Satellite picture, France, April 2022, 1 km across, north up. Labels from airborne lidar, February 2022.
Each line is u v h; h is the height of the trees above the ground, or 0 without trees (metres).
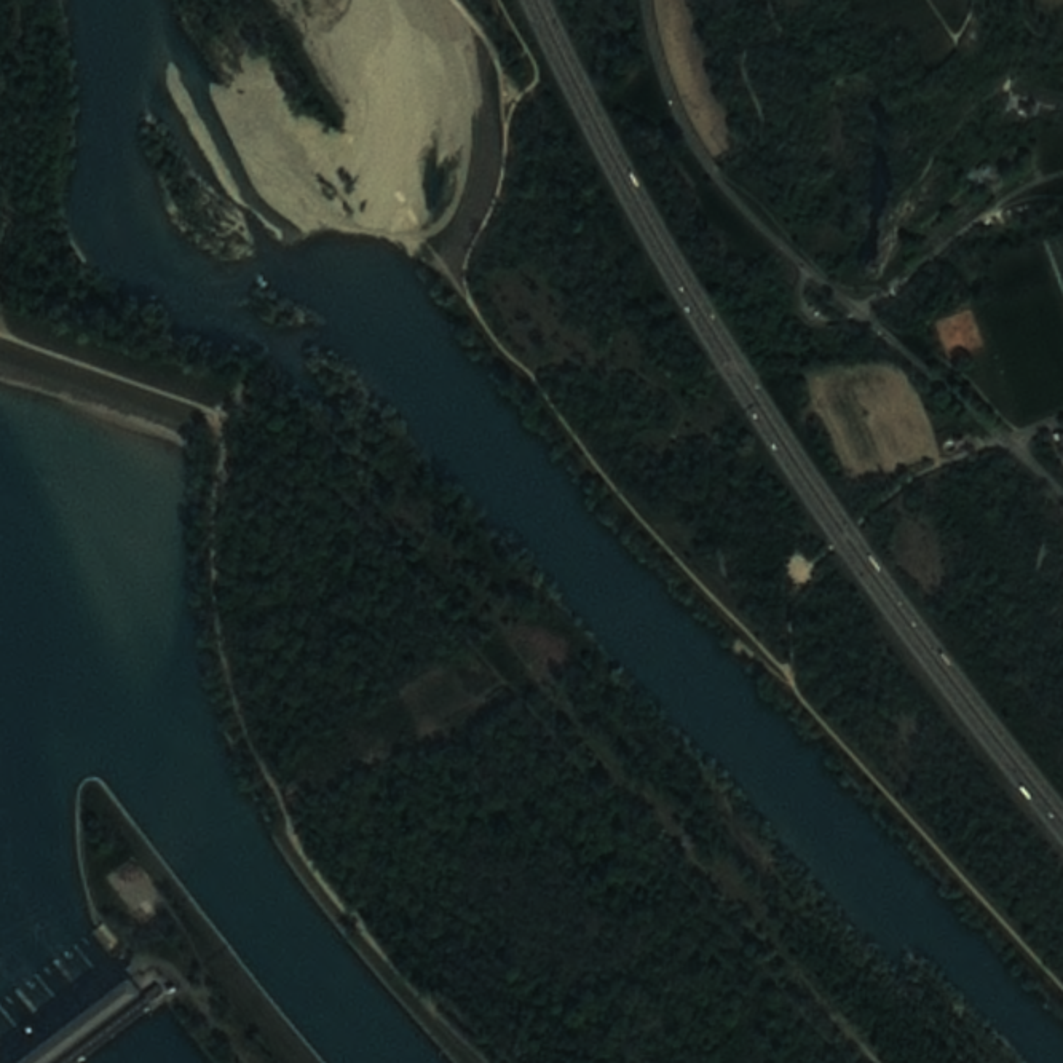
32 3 13
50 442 0
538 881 25
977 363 0
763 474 10
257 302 7
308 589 21
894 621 0
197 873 0
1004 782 0
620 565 0
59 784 0
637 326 16
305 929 0
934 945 0
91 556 0
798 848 0
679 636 0
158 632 0
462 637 21
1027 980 19
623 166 0
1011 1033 0
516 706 22
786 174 19
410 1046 0
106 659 0
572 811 19
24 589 0
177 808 0
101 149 0
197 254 0
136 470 0
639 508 0
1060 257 0
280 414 20
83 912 0
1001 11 7
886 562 0
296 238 0
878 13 0
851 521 0
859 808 0
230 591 18
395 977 0
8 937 0
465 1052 0
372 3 0
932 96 10
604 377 16
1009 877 13
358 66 0
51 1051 0
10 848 0
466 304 0
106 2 0
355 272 0
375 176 0
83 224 0
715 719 0
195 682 0
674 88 0
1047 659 10
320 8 0
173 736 0
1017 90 0
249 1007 0
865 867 0
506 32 18
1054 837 0
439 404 0
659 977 10
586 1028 10
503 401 0
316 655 22
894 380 0
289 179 0
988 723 0
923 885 0
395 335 0
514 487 0
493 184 0
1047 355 0
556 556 0
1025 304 0
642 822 22
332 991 0
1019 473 15
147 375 0
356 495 21
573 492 0
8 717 0
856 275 0
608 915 24
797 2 0
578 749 31
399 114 0
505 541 17
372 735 0
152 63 0
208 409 0
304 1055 0
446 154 0
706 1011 9
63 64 25
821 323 0
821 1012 21
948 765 10
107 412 0
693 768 21
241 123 0
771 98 13
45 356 0
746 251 0
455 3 0
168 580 0
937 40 0
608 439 7
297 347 0
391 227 0
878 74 7
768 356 12
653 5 0
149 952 15
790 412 0
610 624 0
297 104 13
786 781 0
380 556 17
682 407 0
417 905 16
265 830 0
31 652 0
